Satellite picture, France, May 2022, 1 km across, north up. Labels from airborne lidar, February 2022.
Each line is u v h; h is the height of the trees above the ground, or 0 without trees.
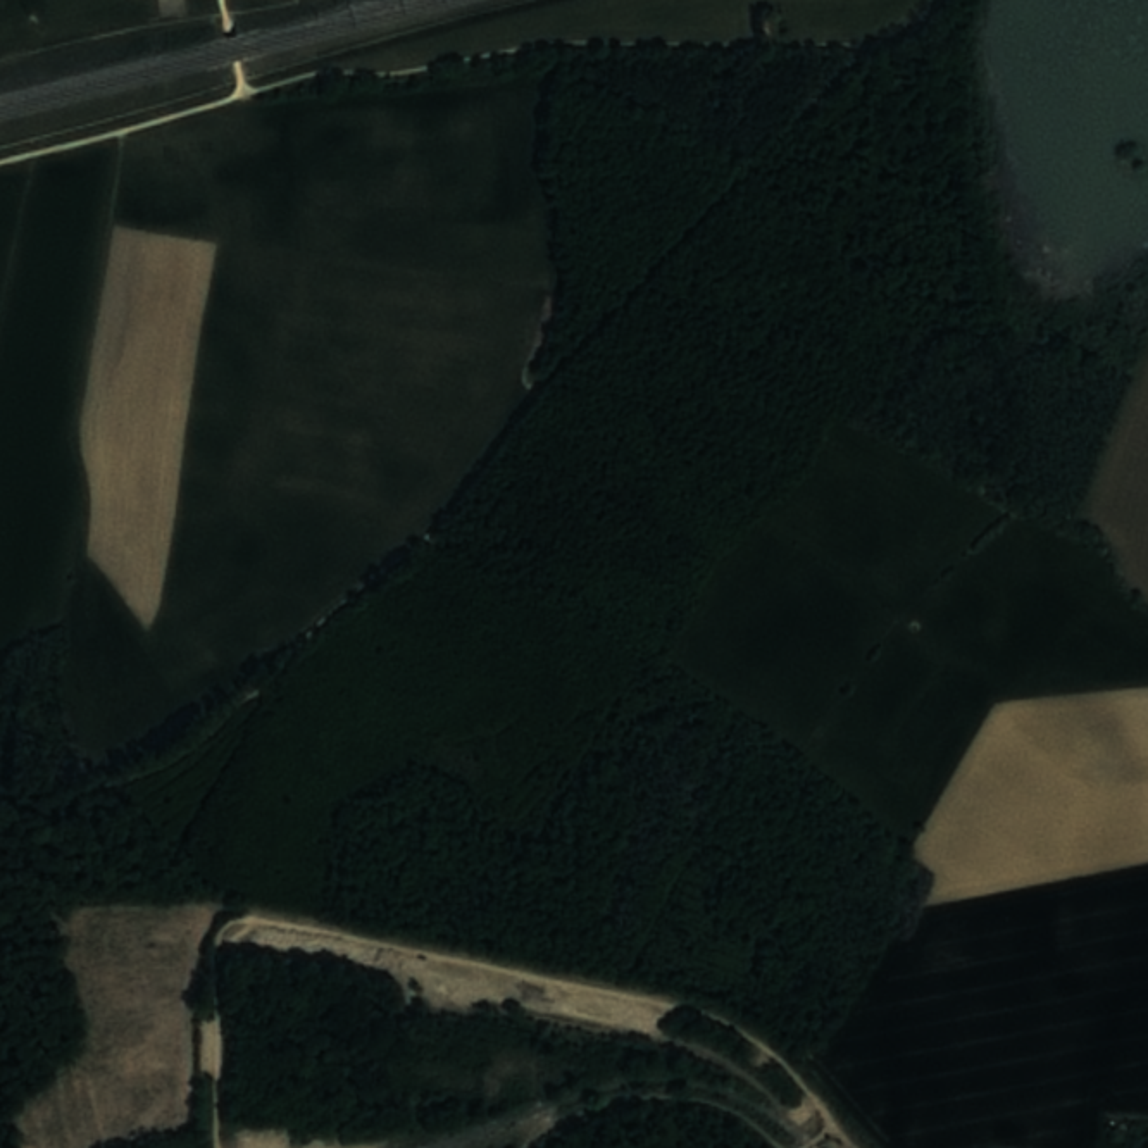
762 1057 0
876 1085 0
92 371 0
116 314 0
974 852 0
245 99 0
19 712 25
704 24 0
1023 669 0
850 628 0
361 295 0
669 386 20
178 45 0
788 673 0
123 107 0
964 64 11
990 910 0
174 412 0
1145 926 0
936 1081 0
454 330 0
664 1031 12
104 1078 0
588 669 11
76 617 0
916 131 19
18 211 0
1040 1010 0
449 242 0
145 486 0
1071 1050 0
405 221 0
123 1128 0
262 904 6
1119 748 0
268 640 0
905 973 0
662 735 17
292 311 0
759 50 19
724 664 0
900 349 19
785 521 0
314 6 0
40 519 0
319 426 0
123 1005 0
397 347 0
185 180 0
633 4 0
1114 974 0
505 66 13
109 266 0
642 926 13
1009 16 0
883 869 15
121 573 0
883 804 0
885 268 18
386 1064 21
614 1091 0
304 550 0
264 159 0
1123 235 0
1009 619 0
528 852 21
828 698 0
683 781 18
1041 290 0
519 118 0
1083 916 0
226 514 0
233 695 21
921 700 0
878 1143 0
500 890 19
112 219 0
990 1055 0
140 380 0
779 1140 0
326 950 0
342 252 0
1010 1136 0
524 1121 0
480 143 0
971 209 24
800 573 0
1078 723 0
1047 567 0
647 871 15
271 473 0
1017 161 0
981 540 6
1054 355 20
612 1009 0
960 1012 0
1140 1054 0
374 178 0
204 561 0
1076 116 0
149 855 29
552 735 6
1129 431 0
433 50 0
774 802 19
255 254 0
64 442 0
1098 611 0
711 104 13
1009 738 0
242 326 0
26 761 29
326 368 0
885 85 16
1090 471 18
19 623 0
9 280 0
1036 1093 0
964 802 0
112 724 0
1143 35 0
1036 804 0
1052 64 0
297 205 0
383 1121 22
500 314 0
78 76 0
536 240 0
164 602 0
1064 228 0
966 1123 0
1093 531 8
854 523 0
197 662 0
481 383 0
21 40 0
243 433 0
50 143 0
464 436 0
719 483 18
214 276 0
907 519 0
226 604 0
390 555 0
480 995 0
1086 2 0
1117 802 0
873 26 0
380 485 0
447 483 0
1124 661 0
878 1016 0
